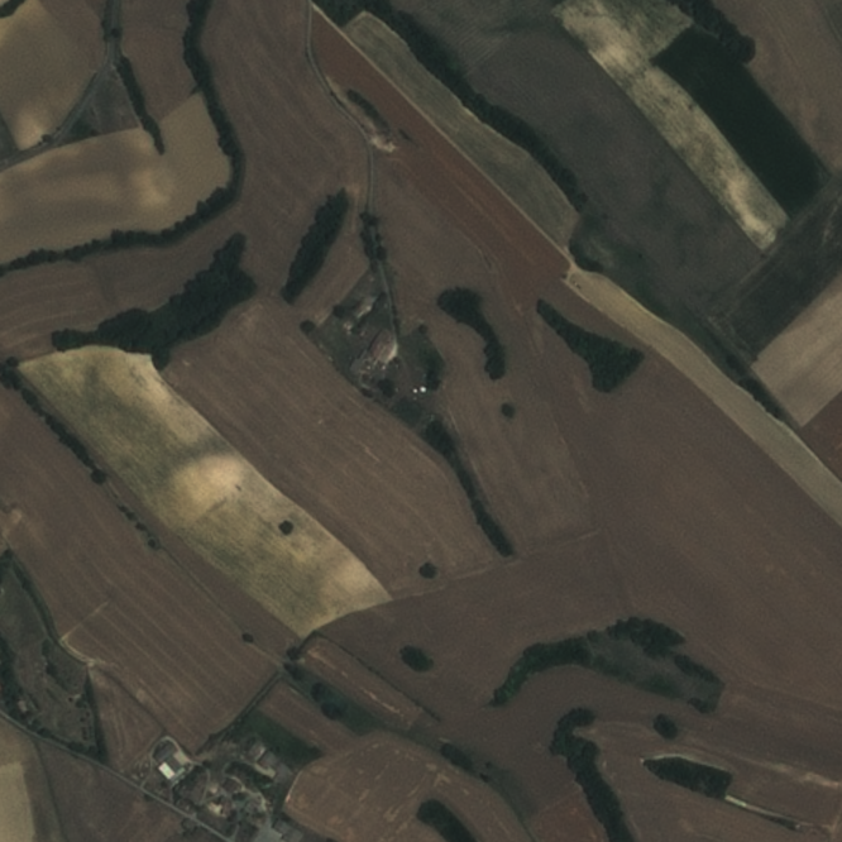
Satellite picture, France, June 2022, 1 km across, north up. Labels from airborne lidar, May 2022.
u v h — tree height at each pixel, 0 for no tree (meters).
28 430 0
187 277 0
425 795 0
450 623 0
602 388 14
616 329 0
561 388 0
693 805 0
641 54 0
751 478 0
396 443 0
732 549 0
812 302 0
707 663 0
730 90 0
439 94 0
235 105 0
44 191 0
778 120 0
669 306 0
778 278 0
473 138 0
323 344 0
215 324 12
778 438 0
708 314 0
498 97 0
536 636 0
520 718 0
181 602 0
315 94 0
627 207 0
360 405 0
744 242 0
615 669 0
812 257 0
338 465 0
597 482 0
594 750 11
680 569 0
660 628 9
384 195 0
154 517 0
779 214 0
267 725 0
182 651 0
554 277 0
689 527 0
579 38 0
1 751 0
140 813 0
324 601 0
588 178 0
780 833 0
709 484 0
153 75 0
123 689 0
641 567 0
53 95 0
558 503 0
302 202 0
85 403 0
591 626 0
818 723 0
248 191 0
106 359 0
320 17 0
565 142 0
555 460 0
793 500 0
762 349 0
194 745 0
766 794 0
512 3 0
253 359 0
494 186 0
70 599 0
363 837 0
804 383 0
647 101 0
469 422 0
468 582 0
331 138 0
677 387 0
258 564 0
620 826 8
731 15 0
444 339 0
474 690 0
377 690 0
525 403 0
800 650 0
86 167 0
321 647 0
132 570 0
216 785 0
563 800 0
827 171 0
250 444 0
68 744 6
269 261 0
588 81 0
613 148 0
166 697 0
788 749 0
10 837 0
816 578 0
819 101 0
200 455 0
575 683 0
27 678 0
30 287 0
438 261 0
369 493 0
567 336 9
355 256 0
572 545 0
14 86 0
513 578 0
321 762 0
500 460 0
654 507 0
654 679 0
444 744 0
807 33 0
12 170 0
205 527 0
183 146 0
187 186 0
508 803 0
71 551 0
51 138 12
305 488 0
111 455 0
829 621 0
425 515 0
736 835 0
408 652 11
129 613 0
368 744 0
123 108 0
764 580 0
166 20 0
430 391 13
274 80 0
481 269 0
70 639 0
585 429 0
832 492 0
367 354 0
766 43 0
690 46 0
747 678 0
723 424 0
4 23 0
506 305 0
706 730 0
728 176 0
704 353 0
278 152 0
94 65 0
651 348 0
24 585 8
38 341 0
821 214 0
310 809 0
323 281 0
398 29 6
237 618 0
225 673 0
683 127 0
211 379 0
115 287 0
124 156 0
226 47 0
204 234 0
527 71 0
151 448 0
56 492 0
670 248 0
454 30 0
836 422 0
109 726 0
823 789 0
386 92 0
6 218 0
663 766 7
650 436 0
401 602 0
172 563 0
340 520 0
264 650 0
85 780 0
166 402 0
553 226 0
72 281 0
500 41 0
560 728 9
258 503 0
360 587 0
